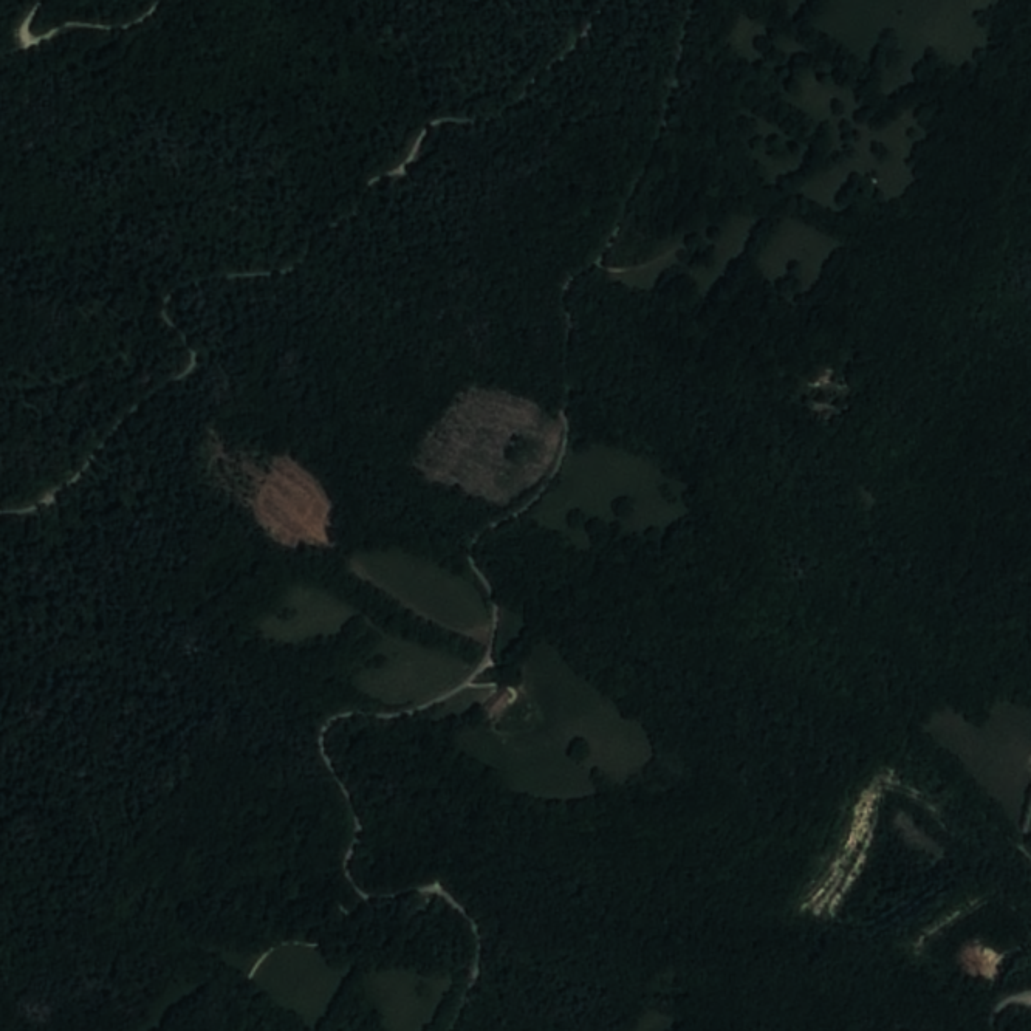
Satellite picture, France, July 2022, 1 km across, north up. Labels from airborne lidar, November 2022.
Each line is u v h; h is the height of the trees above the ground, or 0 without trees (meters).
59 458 9
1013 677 17
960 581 17
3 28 10
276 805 14
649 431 13
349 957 16
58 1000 26
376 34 16
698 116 20
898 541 18
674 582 17
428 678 0
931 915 10
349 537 20
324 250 17
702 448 15
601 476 0
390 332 14
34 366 23
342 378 16
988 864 7
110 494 26
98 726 22
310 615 0
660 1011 17
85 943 17
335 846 13
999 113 20
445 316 13
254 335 28
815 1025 12
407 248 9
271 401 19
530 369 18
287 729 23
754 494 21
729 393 21
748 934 27
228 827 14
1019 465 18
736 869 13
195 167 17
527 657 16
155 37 15
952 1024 17
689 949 19
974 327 17
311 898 13
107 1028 24
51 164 18
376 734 15
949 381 13
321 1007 0
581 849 14
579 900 23
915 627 15
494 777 17
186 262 23
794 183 18
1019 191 17
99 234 5
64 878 13
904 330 17
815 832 12
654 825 20
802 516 21
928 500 17
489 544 18
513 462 19
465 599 0
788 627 16
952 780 14
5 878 6
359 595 14
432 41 14
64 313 16
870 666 18
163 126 22
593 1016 16
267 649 12
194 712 18
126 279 9
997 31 14
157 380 21
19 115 19
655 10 20
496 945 14
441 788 15
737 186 22
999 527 19
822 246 0
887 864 11
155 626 23
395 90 9
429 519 17
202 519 19
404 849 23
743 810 19
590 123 18
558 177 13
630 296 14
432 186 20
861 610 15
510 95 17
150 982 20
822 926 6
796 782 18
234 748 21
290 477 0
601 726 0
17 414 19
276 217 15
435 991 0
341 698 15
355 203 14
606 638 20
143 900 15
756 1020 15
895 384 19
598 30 17
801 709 14
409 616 13
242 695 20
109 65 17
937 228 16
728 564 19
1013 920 16
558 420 14
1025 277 14
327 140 18
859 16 0
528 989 9
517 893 8
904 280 18
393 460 15
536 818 17
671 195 12
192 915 24
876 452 13
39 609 29
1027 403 16
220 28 8
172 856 18
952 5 0
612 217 17
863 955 23
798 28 13
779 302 18
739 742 20
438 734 11
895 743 9
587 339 17
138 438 21
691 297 24
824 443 15
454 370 13
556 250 20
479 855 17
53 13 19
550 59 12
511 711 0
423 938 17
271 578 7
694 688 21
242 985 16
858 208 14
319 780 19
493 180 19
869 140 0
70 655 23
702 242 16
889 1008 18
